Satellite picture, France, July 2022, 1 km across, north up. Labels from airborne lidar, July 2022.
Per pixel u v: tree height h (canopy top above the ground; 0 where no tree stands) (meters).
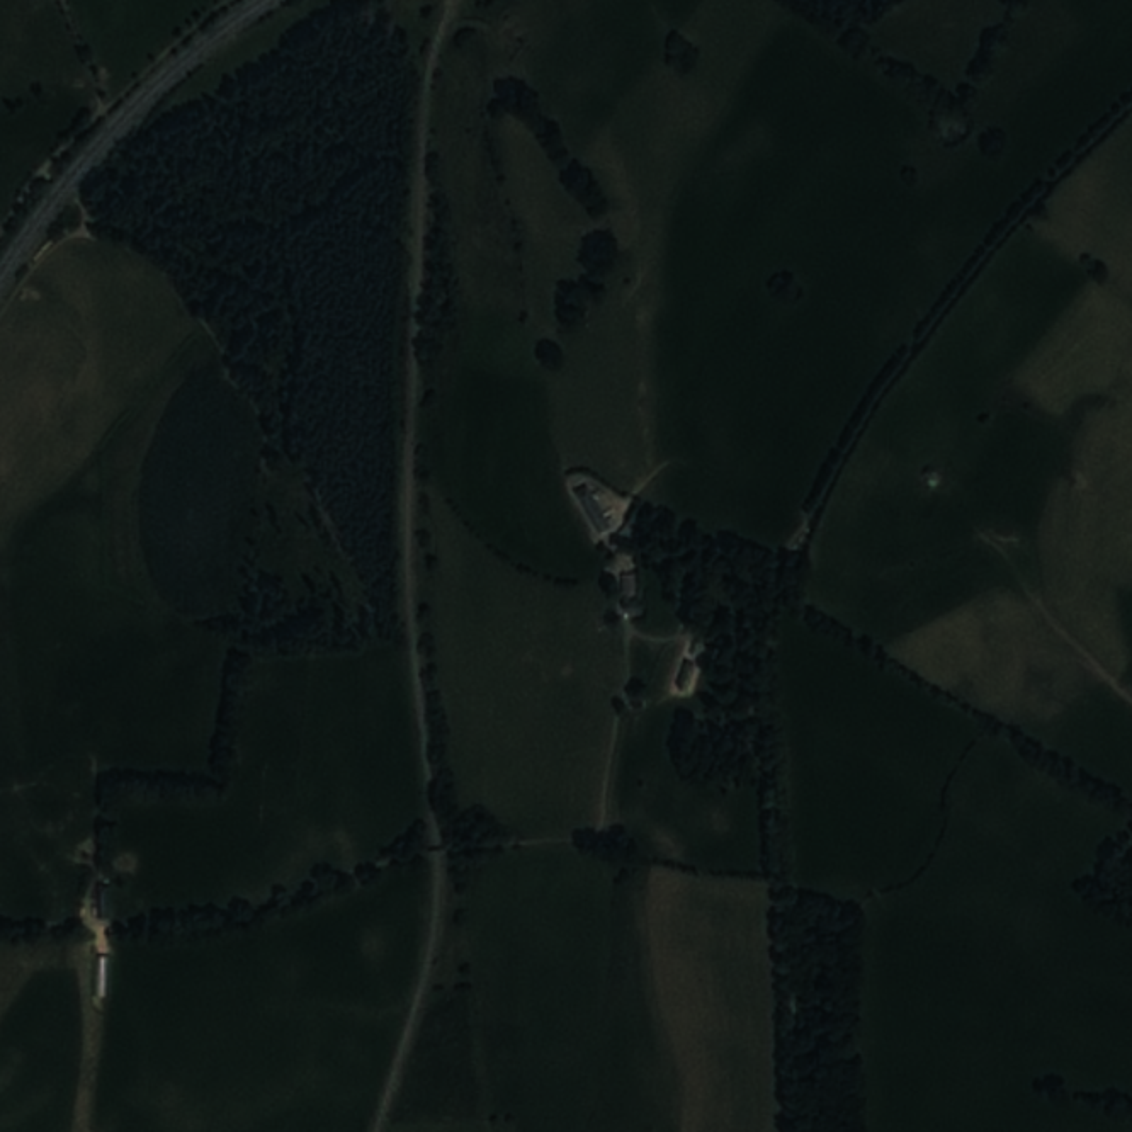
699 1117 0
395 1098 0
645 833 0
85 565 0
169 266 21
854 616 0
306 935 0
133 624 0
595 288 26
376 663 0
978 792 0
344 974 0
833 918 24
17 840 0
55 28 0
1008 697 0
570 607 0
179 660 0
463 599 0
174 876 0
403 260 21
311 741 0
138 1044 0
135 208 26
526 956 0
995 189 0
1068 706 0
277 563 0
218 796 21
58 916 0
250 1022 0
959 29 0
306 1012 0
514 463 0
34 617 0
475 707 0
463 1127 0
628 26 0
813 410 0
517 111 23
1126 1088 0
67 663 0
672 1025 0
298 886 0
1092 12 0
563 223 0
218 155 24
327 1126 0
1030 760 23
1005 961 0
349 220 21
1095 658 0
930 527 0
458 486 0
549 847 0
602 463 0
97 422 0
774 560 18
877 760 0
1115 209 0
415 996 0
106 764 0
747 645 23
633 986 0
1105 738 0
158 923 21
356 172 27
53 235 8
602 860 14
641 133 0
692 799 0
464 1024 0
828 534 0
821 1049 23
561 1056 0
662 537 15
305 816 0
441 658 0
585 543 0
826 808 0
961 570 0
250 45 0
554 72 0
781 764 24
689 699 0
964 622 0
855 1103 27
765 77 0
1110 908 23
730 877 11
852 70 0
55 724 0
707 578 26
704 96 0
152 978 0
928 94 23
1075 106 0
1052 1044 0
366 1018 0
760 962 0
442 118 0
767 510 0
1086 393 0
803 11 19
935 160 0
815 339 0
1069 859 0
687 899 0
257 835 0
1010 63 0
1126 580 0
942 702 10
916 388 0
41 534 0
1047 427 0
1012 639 0
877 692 0
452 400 0
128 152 16
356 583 0
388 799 0
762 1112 0
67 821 0
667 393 0
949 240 0
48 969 0
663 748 0
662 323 0
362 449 25
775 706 16
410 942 0
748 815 0
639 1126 0
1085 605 0
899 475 0
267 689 0
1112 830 0
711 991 0
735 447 0
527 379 0
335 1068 0
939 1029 0
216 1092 0
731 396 0
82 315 0
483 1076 0
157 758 0
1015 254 0
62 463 0
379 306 25
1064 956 0
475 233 0
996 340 0
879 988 0
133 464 0
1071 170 13
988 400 0
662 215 0
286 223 26
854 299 0
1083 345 0
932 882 0
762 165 0
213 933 21
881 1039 0
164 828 0
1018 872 0
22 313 0
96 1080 0
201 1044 0
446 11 0
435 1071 0
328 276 23
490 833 10
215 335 6
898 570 0
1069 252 0
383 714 0
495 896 0
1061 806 0
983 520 0
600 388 0
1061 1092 24
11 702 0
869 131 0
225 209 7
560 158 19
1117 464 0
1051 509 0
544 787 0
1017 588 0
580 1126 0
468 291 0
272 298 21
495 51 0
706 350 0
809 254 0
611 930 0
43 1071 0
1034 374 0
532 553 0
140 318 0
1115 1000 0
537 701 0
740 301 0
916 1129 0
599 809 0
